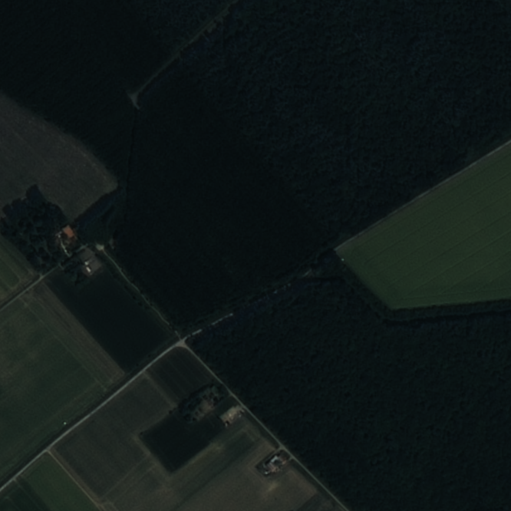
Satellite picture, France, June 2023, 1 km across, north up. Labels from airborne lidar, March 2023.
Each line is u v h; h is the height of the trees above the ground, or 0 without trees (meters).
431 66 20
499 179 0
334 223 20
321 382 20
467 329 24
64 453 0
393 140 24
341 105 21
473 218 0
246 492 0
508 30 20
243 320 25
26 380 0
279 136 28
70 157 0
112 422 0
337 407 22
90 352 0
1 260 0
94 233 25
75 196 0
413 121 18
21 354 0
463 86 30
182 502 0
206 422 0
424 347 22
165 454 0
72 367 0
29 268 0
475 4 22
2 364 0
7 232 12
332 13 19
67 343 0
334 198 20
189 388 0
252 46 26
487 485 21
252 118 24
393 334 20
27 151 0
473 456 22
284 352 24
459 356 20
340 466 22
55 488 0
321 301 23
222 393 13
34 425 0
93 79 14
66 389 0
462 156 19
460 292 0
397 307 0
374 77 23
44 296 0
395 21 26
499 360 19
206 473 0
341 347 21
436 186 0
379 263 0
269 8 23
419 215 0
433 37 21
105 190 0
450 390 22
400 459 21
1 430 0
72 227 11
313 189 21
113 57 14
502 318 22
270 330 28
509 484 20
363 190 23
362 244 0
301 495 0
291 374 23
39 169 0
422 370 22
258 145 20
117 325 0
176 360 0
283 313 23
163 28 24
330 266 21
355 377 20
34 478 0
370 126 22
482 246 0
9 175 0
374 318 20
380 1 25
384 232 0
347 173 25
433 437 21
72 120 14
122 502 0
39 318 0
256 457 0
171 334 0
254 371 25
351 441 26
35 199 28
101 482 0
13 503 0
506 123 28
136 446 0
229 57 27
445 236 0
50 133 0
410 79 25
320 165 25
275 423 22
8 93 11
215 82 21
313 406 23
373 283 0
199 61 23
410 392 21
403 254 0
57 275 0
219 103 18
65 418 0
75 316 0
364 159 29
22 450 0
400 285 0
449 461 23
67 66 13
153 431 0
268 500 0
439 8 19
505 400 19
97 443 0
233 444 0
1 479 0
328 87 22
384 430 21
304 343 19
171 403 0
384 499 22
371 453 22
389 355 21
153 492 0
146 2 19
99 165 0
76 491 0
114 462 0
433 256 0
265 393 21
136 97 0
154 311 0
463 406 22
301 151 25
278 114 28
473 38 23
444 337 24
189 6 32
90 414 0
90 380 0
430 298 0
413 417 24
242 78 23
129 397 0
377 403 23
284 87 28
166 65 0
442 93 20
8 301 0
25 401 0
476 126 20
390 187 20
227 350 25
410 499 22
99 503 0
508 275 0
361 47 19
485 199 0
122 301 0
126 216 15
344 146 29
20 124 0
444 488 20
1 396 0
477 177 0
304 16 20
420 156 23
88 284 0
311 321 23
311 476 0
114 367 0
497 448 21
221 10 0
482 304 8
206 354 21
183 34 21
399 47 23
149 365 0
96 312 0
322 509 0
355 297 24
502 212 0
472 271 0
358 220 24
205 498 0
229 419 0
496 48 22
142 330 0
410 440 23
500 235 0
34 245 13
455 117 24
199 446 0
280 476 0
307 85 23
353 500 19
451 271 0
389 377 20
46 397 0
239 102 23
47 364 0
